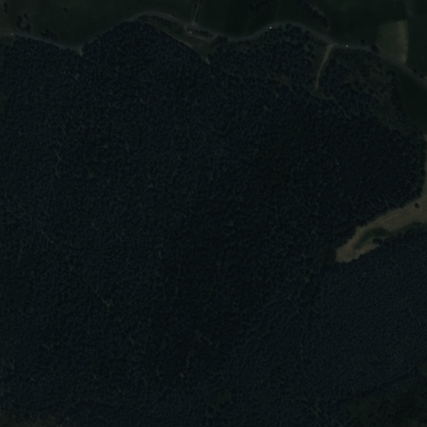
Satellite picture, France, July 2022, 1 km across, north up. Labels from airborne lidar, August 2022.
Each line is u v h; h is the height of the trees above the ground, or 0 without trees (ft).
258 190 22
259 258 72
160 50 61
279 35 43
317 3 0
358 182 69
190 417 72
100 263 76
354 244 0
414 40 0
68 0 0
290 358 75
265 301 79
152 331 57
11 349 69
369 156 71
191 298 54
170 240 50
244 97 94
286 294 82
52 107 83
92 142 24
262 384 67
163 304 75
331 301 75
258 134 72
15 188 47
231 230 66
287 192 94
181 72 57
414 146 54
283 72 63
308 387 82
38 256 23
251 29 0
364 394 94
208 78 79
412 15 0
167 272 49
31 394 54
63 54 84
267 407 59
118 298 83
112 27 0
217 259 75
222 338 52
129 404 78
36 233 59
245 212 92
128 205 85
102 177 99
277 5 0
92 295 78
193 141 88
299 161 82
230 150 56
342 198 43
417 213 0
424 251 65
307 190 30
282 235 41
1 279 38
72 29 0
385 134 50
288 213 52
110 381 59
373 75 0
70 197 59
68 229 83
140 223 70
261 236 71
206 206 70
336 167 81
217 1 0
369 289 68
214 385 69
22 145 70
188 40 0
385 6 0
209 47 0
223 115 98
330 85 67
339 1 0
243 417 51
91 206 80
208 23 0
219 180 64
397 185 53
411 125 25
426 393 21
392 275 69
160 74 80
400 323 75
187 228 25
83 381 83
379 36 0
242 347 84
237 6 0
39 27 0
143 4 0
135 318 87
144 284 93
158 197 76
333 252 32
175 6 0
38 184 81
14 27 0
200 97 100
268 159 33
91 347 105
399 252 65
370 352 81
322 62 0
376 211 45
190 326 62
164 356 52
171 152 90
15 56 47
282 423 88
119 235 93
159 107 91
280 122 66
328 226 66
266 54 34
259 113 77
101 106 17
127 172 55
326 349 80
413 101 0
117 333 100
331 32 0
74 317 96
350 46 0
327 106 98
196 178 95
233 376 89
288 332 80
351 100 66
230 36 0
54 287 59
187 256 60
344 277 85
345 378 62
